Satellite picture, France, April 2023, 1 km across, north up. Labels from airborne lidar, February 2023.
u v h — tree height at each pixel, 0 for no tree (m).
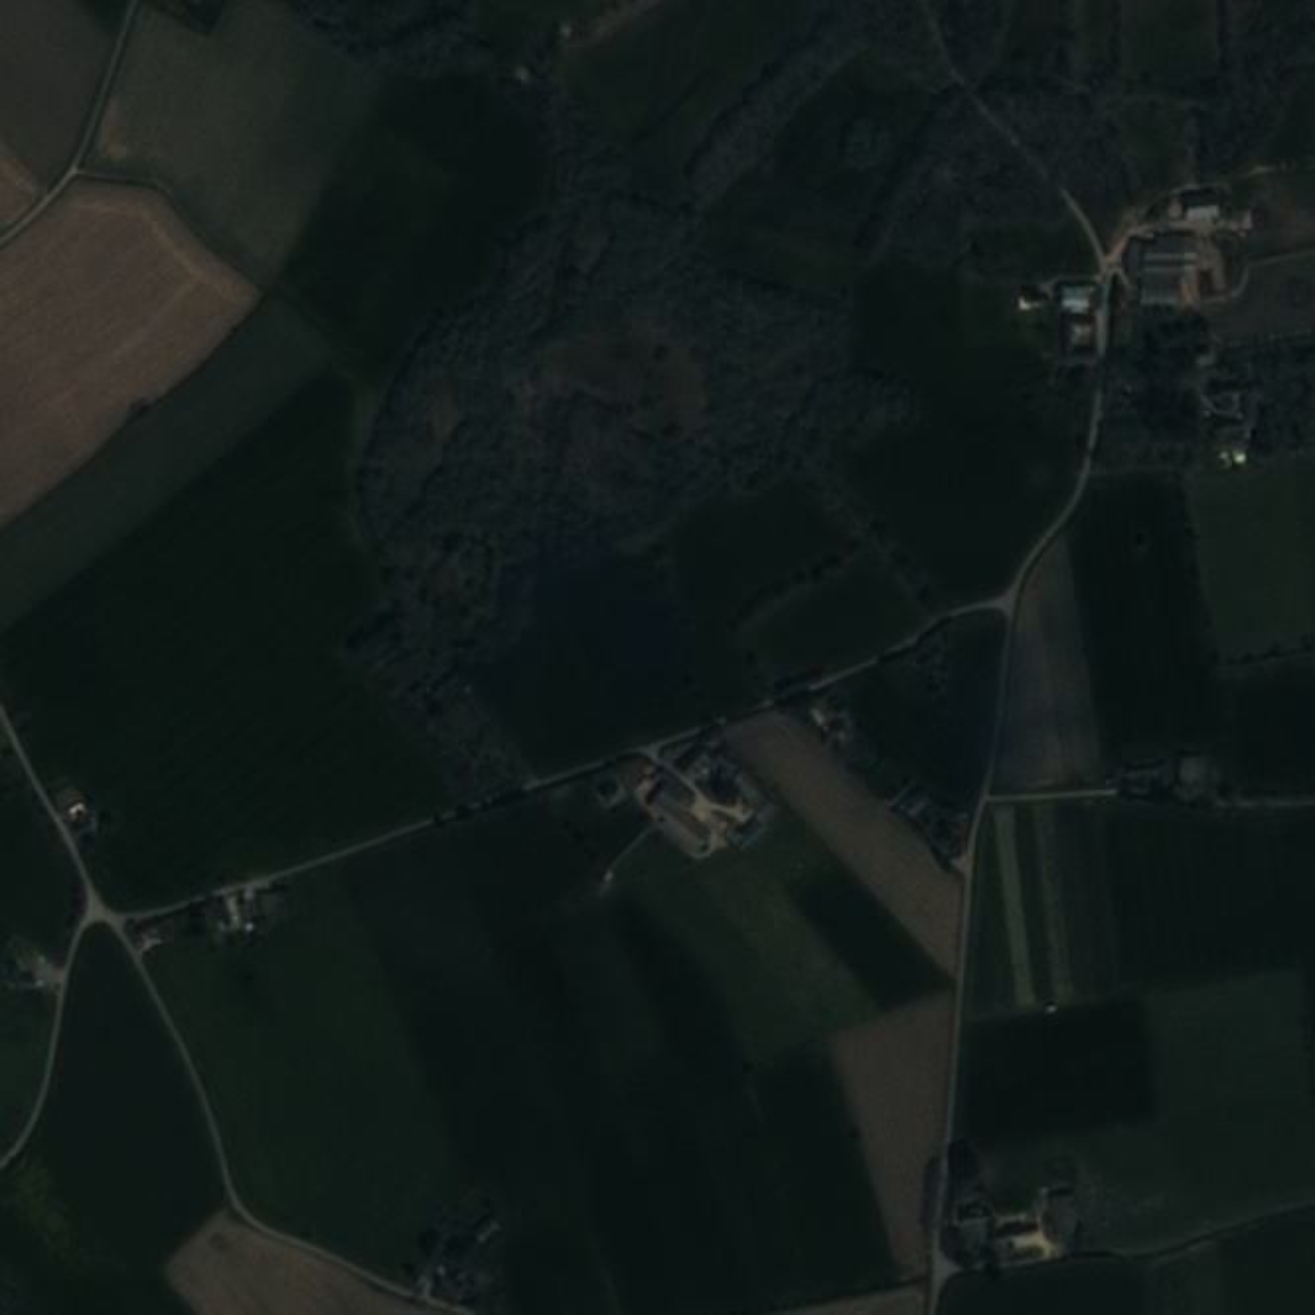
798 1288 0
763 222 0
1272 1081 0
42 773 0
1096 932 0
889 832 0
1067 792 0
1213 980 0
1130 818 0
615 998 0
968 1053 0
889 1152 0
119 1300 0
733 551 0
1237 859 0
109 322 0
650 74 0
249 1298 0
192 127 0
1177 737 0
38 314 0
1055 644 0
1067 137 13
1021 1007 0
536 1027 0
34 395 0
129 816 0
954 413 0
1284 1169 0
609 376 0
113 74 0
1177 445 15
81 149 0
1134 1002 0
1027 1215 0
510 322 11
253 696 0
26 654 0
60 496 0
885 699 0
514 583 13
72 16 0
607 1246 0
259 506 0
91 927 0
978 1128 0
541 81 14
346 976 0
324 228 0
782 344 10
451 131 0
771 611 6
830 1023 0
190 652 0
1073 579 0
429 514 11
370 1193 0
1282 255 0
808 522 0
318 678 0
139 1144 0
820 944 0
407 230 0
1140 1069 0
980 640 0
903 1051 0
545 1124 0
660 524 16
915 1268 0
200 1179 0
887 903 0
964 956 0
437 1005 0
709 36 0
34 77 0
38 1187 0
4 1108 0
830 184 0
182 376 0
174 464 0
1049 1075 0
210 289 0
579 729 0
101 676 0
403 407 10
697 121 0
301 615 0
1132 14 0
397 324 0
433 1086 0
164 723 0
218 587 0
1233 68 18
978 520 0
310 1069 0
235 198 0
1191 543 7
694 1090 0
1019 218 11
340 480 0
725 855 0
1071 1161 0
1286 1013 0
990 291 0
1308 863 0
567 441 8
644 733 0
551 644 0
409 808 0
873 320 0
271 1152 0
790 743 0
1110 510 0
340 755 0
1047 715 0
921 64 20
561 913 0
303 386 0
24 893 0
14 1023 0
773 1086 0
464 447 6
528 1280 0
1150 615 0
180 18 0
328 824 0
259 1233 0
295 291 0
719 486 7
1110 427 11
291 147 0
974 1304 0
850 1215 0
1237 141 16
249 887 0
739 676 0
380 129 0
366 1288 0
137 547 0
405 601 9
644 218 13
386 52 16
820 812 0
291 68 0
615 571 0
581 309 7
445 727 7
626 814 0
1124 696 0
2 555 0
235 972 0
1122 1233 0
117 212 0
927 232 17
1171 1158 0
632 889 0
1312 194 0
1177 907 0
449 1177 0
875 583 0
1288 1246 0
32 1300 0
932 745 0
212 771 0
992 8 21
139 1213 0
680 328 11
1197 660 0
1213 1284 0
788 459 8
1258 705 0
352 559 0
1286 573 0
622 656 0
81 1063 0
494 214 0
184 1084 0
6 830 0
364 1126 0
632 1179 0
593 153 6
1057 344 0
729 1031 0
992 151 14
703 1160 0
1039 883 0
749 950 0
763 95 14
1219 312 0
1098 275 0
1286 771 0
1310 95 0
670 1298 0
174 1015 0
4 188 0
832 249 0
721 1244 0
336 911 0
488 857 0
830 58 16
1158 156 0
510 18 0
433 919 0
